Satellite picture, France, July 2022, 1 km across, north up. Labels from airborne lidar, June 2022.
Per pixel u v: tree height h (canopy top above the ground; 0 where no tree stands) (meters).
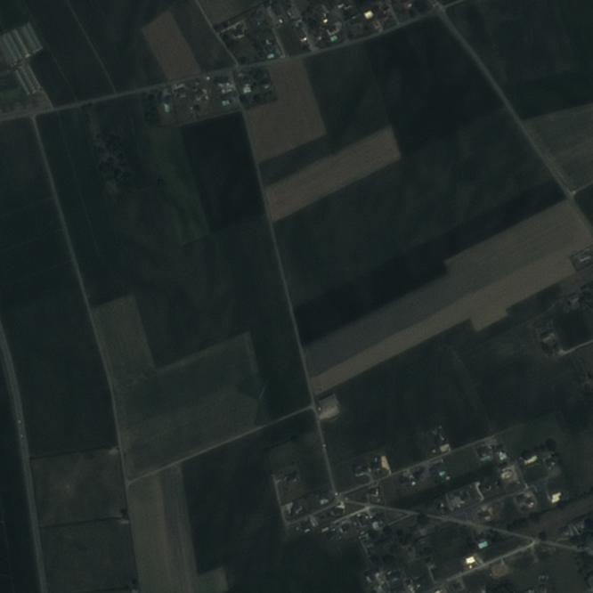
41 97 0
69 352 0
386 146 0
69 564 0
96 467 0
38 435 0
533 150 0
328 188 0
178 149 0
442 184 0
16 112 0
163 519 0
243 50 0
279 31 0
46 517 0
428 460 0
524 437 0
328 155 0
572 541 11
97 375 0
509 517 0
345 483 0
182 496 0
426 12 19
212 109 0
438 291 0
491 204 0
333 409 0
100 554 0
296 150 0
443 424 0
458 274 0
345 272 0
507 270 0
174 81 0
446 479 0
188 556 0
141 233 0
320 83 0
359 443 0
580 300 8
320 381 0
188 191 0
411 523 0
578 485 0
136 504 0
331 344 0
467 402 0
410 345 0
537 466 0
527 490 0
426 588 0
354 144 0
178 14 0
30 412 0
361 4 9
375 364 0
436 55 0
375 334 0
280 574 0
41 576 0
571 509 0
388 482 0
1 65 0
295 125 0
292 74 0
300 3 0
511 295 0
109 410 0
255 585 0
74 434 0
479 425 0
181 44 0
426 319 0
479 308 0
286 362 0
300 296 0
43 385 0
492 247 0
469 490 0
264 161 0
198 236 0
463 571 0
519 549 0
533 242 0
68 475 0
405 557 0
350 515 0
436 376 0
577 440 0
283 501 0
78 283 0
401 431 0
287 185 0
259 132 0
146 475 0
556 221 0
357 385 0
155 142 0
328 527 0
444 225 0
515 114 0
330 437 0
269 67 0
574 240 0
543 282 0
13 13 0
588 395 12
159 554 0
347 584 0
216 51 0
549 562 0
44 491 0
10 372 0
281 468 0
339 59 0
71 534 0
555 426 0
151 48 0
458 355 0
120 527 0
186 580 0
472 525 0
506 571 0
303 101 0
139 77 0
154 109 14
